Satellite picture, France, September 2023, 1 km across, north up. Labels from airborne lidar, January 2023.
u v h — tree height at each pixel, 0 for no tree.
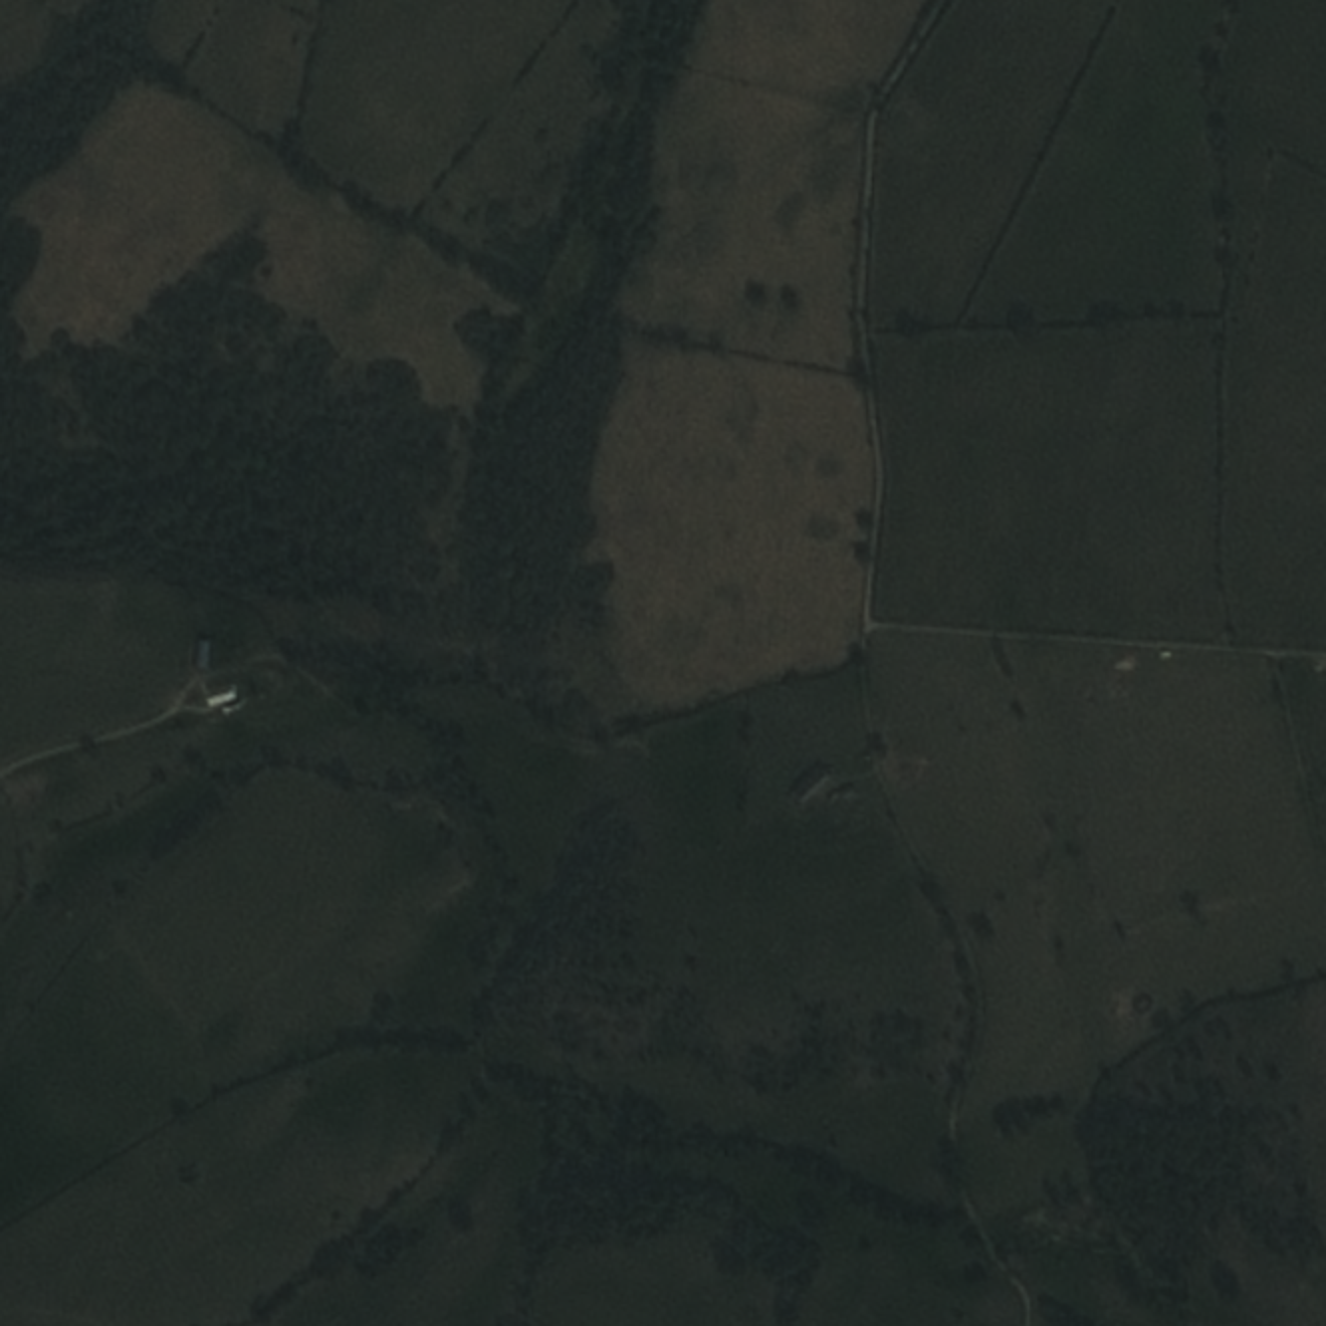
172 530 18
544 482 10
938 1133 0
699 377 0
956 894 0
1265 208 0
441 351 0
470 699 0
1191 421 0
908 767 0
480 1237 0
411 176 0
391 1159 0
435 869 0
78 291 0
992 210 0
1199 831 0
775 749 0
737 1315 0
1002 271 0
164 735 0
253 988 0
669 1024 9
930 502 0
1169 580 0
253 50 0
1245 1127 15
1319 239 0
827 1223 19
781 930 0
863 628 0
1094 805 0
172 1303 0
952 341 0
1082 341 0
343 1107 0
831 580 0
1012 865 0
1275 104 0
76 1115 0
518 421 16
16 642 0
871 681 0
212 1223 0
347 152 0
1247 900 0
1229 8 11
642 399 0
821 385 0
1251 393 0
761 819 0
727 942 0
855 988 0
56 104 8
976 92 0
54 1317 0
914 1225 20
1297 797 0
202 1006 0
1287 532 0
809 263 0
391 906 0
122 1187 0
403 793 13
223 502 15
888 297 0
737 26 0
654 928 0
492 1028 18
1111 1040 0
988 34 0
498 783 0
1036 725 0
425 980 0
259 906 0
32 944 0
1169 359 0
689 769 0
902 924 0
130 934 0
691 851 0
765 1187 0
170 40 0
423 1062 0
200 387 10
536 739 0
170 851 11
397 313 0
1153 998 0
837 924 0
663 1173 0
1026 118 0
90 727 0
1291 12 0
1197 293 0
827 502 0
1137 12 0
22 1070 0
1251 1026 0
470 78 0
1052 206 0
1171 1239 13
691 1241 0
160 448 22
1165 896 0
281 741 0
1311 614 0
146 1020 0
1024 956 0
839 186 0
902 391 0
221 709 0
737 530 0
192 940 0
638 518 0
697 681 0
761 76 0
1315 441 0
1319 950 0
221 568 14
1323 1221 0
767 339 0
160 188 0
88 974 0
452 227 0
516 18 0
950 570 0
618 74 19
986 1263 8
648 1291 0
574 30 0
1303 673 0
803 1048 10
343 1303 0
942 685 0
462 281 0
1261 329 0
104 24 11
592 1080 0
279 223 0
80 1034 0
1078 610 0
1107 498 0
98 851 0
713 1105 0
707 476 0
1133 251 0
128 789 0
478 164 0
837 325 0
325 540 22
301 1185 0
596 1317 0
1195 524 0
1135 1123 17
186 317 9
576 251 0
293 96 0
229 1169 0
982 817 0
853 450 0
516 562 7
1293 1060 0
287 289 0
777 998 0
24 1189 0
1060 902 0
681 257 0
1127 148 0
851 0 0
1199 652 0
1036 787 0
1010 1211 0
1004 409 0
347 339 0
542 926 13
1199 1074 0
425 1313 0
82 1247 0
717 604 0
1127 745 0
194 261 0
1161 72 0
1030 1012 0
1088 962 0
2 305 7
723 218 0
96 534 12
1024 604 0
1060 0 0
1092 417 0
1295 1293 0
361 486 12
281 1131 0
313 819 0
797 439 0
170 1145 0
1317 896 0
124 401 8
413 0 0
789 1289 19
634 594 0
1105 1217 25
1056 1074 0
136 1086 0
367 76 0
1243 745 0
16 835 0
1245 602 0
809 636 0
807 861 0
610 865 13
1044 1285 0
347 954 0
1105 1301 0
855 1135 0
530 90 0
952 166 0
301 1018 0
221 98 0
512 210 0
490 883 0
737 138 0
